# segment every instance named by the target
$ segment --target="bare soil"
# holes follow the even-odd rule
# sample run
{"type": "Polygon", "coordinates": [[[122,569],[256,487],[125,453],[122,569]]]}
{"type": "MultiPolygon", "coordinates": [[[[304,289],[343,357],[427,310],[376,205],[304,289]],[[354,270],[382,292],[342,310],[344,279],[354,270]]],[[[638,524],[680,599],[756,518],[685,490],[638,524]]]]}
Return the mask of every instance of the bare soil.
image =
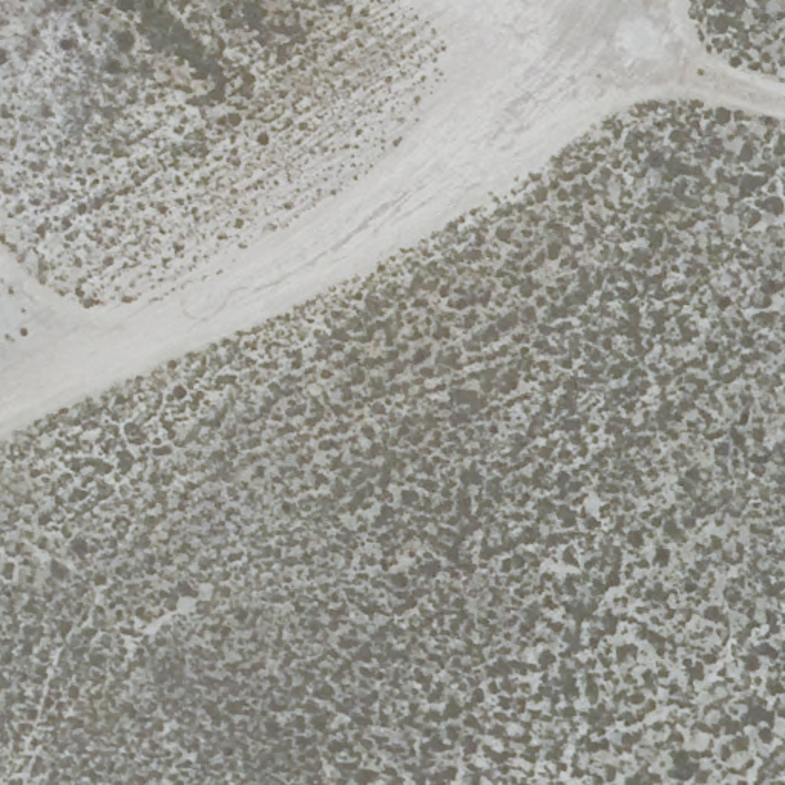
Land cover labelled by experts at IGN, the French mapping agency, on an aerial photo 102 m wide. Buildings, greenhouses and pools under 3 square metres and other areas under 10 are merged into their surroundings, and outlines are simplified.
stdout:
{"type": "Polygon", "coordinates": [[[448,52],[438,61],[429,61],[417,71],[408,58],[396,61],[389,67],[393,86],[386,86],[386,92],[377,92],[377,101],[383,101],[383,113],[362,117],[362,135],[334,135],[331,147],[350,144],[350,150],[310,156],[291,181],[279,181],[279,187],[264,187],[255,215],[242,227],[248,248],[242,251],[224,242],[218,258],[202,261],[209,282],[190,285],[187,291],[178,291],[163,304],[135,301],[80,307],[77,297],[58,297],[55,291],[40,285],[12,261],[9,251],[0,248],[0,442],[12,442],[15,429],[28,429],[28,423],[64,405],[101,396],[126,377],[150,374],[150,368],[175,356],[202,350],[215,340],[233,337],[233,331],[239,328],[251,328],[270,316],[288,313],[294,304],[325,291],[340,279],[368,276],[383,258],[389,258],[399,248],[417,245],[432,230],[442,230],[448,221],[454,221],[460,212],[475,209],[488,193],[506,196],[515,187],[515,178],[524,181],[534,172],[549,172],[552,156],[561,153],[561,147],[580,141],[589,132],[589,126],[616,117],[626,107],[635,107],[638,101],[696,98],[708,107],[730,107],[785,120],[785,83],[776,83],[773,77],[754,74],[748,67],[733,67],[721,52],[705,52],[696,40],[696,21],[690,18],[690,6],[684,0],[399,0],[408,9],[408,15],[435,21],[438,40],[448,46],[448,52]]]}

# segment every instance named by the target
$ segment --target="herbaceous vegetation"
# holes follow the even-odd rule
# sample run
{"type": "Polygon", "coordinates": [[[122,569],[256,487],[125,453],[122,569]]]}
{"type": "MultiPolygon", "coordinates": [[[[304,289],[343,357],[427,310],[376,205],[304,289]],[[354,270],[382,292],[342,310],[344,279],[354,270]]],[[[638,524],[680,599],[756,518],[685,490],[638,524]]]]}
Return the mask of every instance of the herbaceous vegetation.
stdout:
{"type": "Polygon", "coordinates": [[[334,135],[362,135],[362,117],[383,113],[383,101],[377,101],[377,92],[386,92],[386,86],[393,86],[389,67],[396,61],[408,58],[417,71],[429,61],[438,61],[448,52],[448,46],[438,40],[435,21],[408,15],[408,9],[399,0],[0,0],[0,248],[9,251],[12,261],[40,285],[55,291],[58,297],[77,297],[80,307],[135,301],[163,304],[178,291],[187,291],[190,285],[209,282],[202,261],[218,258],[224,242],[242,251],[248,248],[242,227],[255,215],[264,187],[279,187],[279,181],[291,181],[310,156],[350,150],[350,144],[331,147],[334,135]]]}
{"type": "Polygon", "coordinates": [[[721,52],[733,67],[748,67],[754,74],[773,77],[776,83],[785,83],[785,0],[684,0],[690,6],[690,18],[696,21],[696,40],[705,52],[721,52]]]}
{"type": "Polygon", "coordinates": [[[635,107],[626,107],[616,117],[589,126],[589,132],[580,141],[561,147],[561,153],[552,156],[549,172],[534,172],[524,181],[515,178],[515,187],[506,196],[488,193],[475,209],[460,212],[454,221],[448,221],[442,230],[432,230],[417,245],[399,248],[389,258],[383,258],[368,276],[340,279],[325,291],[294,304],[288,313],[270,316],[251,328],[239,328],[233,331],[233,337],[215,340],[202,350],[175,356],[150,368],[150,374],[126,377],[101,396],[64,405],[28,423],[28,429],[15,429],[12,442],[0,442],[0,785],[785,785],[785,120],[730,107],[708,107],[696,98],[638,101],[635,107]]]}

